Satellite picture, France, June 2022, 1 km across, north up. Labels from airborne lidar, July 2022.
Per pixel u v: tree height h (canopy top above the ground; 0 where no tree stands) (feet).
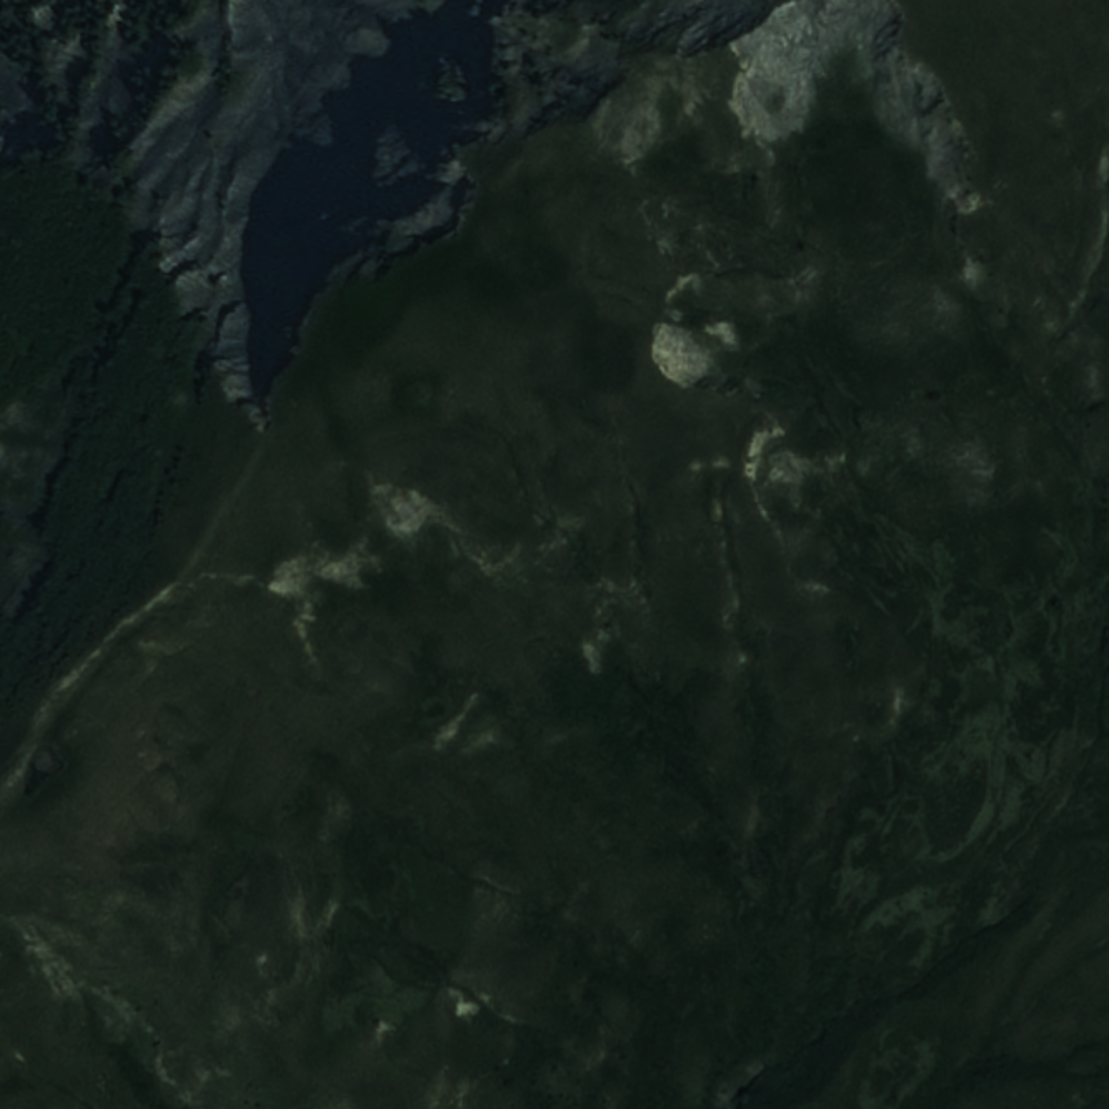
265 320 0
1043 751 0
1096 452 0
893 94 0
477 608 0
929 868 0
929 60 0
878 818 0
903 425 0
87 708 0
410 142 0
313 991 0
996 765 0
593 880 0
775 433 0
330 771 0
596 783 0
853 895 0
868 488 0
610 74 0
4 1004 0
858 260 0
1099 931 0
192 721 0
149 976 0
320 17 0
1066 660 0
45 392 0
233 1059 0
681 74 0
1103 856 0
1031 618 0
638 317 0
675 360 0
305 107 0
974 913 0
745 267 0
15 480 0
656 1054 0
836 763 0
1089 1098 0
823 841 0
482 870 0
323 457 0
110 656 0
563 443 0
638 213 0
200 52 23
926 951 0
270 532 0
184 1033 0
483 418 0
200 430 0
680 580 0
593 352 0
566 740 0
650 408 0
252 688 0
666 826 0
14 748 0
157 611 0
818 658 0
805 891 0
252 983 0
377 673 0
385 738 0
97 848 0
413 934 0
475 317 0
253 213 0
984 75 0
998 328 0
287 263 0
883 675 0
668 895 0
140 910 0
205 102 0
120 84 0
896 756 0
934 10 0
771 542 0
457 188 0
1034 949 0
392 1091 0
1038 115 0
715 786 0
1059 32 0
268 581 0
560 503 0
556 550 0
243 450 0
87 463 18
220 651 0
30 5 55
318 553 0
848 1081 0
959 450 0
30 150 68
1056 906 0
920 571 0
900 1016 0
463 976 0
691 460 0
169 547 0
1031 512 0
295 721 0
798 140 0
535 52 0
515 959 0
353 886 0
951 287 0
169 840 0
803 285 0
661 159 0
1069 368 0
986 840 0
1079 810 0
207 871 0
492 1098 0
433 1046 0
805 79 0
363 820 0
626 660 0
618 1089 0
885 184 0
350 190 0
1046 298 0
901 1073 0
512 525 0
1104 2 0
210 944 0
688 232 0
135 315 23
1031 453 0
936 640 0
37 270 17
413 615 0
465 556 0
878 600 0
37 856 0
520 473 0
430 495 0
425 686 0
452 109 0
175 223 0
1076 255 0
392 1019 0
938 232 0
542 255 0
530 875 0
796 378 0
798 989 0
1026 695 0
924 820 0
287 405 0
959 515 0
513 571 0
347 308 0
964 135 0
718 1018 0
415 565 0
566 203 0
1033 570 0
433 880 0
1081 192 0
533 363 0
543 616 0
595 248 0
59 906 0
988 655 0
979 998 0
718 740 0
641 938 0
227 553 0
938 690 0
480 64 0
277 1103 0
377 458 0
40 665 24
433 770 0
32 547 0
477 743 0
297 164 0
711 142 0
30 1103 0
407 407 0
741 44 0
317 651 0
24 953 0
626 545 0
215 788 0
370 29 0
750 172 0
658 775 0
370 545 0
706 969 0
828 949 0
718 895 0
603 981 0
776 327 0
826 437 0
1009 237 0
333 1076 0
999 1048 0
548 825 0
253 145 0
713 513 0
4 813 0
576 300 0
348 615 0
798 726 0
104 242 19
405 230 0
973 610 0
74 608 18
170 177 0
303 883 0
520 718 0
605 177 0
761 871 0
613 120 0
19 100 0
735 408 0
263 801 0
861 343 0
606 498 0
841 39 0
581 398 0
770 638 0
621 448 0
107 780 0
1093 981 0
